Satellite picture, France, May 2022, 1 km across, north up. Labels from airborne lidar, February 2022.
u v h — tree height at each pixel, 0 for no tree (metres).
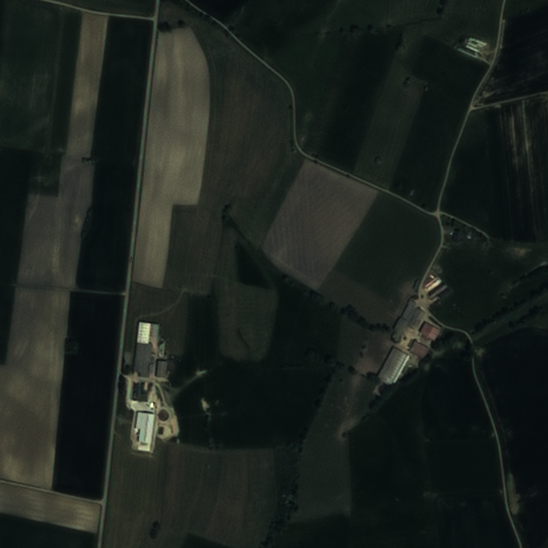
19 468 0
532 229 0
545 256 0
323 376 0
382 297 0
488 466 0
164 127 0
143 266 0
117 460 0
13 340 0
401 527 0
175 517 0
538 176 0
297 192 0
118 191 0
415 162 0
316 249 0
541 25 0
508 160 0
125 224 0
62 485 0
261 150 0
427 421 0
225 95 0
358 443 0
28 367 0
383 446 0
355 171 0
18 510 0
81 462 0
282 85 0
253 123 0
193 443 0
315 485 0
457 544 0
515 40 0
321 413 0
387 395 17
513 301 0
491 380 0
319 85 0
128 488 0
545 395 0
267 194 0
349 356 0
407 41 0
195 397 0
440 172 0
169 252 0
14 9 0
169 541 0
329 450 0
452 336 16
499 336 0
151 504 0
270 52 0
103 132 0
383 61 0
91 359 0
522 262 0
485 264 0
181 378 0
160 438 0
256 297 0
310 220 0
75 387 0
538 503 0
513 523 0
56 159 0
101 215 0
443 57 0
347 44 0
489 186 0
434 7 0
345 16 0
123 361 8
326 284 0
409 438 0
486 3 0
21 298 0
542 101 0
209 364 0
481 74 0
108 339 0
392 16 0
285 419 0
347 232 0
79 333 0
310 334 0
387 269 0
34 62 0
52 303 0
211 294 0
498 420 0
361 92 0
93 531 0
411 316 0
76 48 0
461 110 0
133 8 0
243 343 0
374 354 0
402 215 0
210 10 0
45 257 0
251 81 0
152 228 0
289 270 0
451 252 0
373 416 0
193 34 0
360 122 0
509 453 0
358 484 0
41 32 0
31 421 0
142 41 0
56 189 0
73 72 0
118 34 0
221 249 0
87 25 0
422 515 0
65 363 0
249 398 0
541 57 0
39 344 0
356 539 0
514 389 0
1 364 0
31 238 0
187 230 0
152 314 0
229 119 0
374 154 0
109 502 0
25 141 0
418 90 0
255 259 0
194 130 0
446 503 0
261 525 0
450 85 0
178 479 0
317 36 0
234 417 0
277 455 0
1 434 0
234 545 0
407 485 0
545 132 0
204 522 0
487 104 0
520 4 0
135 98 0
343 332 0
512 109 0
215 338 0
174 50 0
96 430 0
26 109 0
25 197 0
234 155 0
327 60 0
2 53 0
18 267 0
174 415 0
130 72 0
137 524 0
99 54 0
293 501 6
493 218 0
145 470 0
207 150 0
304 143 0
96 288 0
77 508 0
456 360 0
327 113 0
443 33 0
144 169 0
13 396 0
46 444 0
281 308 0
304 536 0
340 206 0
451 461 0
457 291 0
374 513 0
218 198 0
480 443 0
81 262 0
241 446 0
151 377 0
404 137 0
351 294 0
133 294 0
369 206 0
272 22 0
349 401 0
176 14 0
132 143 0
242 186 0
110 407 0
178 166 0
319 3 0
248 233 0
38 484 0
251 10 0
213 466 0
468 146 0
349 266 0
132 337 0
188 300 0
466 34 0
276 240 0
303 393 0
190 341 0
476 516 0
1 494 0
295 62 0
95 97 0
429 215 0
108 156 0
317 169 0
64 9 0
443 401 0
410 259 0
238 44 0
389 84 0
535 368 0
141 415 0
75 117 0
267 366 0
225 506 0
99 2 0
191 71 0
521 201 0
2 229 0
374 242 0
